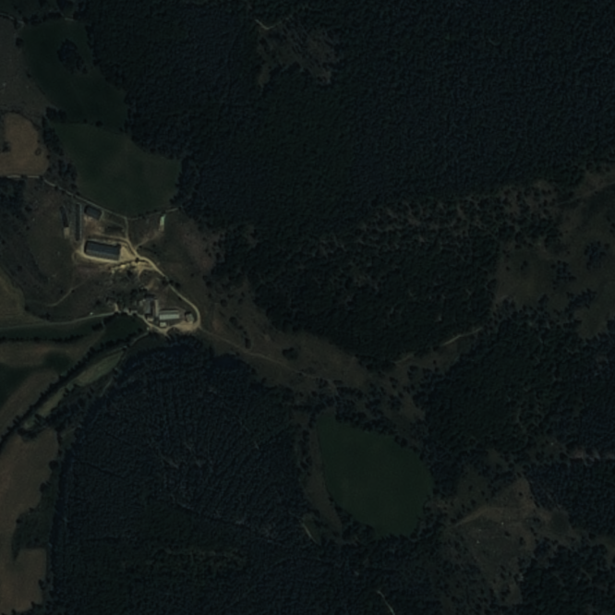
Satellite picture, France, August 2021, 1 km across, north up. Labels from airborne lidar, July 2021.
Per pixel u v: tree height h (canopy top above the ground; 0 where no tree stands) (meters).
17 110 0
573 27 17
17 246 0
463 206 8
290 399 9
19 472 0
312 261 11
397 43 11
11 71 0
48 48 0
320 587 10
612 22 13
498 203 11
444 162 16
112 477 18
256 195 13
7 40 0
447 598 7
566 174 12
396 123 11
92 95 0
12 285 0
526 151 12
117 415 17
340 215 15
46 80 0
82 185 0
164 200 0
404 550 16
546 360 15
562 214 0
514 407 14
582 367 13
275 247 12
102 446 18
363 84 14
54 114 17
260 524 18
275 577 20
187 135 14
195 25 15
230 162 15
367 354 9
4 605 0
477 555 0
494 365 14
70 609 23
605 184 0
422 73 13
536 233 11
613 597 10
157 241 0
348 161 13
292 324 10
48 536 0
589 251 9
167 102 17
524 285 0
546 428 7
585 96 14
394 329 10
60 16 11
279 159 12
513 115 10
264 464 18
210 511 17
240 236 13
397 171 18
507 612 11
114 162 0
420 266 10
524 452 10
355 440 0
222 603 16
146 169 0
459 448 12
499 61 17
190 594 19
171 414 16
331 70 12
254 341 0
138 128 12
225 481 19
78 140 0
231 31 15
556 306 0
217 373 31
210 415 17
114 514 15
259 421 26
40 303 0
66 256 0
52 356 0
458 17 13
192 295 0
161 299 0
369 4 16
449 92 13
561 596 11
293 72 15
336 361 0
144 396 13
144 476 16
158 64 14
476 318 14
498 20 16
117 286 0
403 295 14
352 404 8
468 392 15
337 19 11
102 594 13
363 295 13
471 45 8
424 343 11
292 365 0
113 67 8
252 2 11
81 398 0
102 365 0
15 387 0
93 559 17
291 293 6
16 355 0
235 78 14
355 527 13
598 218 0
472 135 12
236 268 14
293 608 19
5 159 0
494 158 15
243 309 0
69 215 0
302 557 12
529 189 9
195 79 16
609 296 0
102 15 19
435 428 11
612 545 0
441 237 12
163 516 11
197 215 13
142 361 18
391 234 10
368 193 13
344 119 13
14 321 0
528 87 18
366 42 11
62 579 18
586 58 9
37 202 0
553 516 0
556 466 12
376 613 7
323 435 0
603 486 15
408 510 0
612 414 14
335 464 0
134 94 10
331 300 9
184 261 0
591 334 0
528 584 9
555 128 14
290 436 16
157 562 15
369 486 0
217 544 12
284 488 18
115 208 0
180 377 21
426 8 11
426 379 11
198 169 11
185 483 15
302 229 15
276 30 0
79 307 0
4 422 0
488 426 16
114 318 8
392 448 0
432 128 15
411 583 8
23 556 0
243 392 34
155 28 16
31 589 0
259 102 18
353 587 16
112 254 0
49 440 0
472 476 0
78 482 20
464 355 8
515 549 0
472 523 0
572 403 12
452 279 11
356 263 10
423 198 13
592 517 18
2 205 15
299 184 13
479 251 8
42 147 0
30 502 0
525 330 18
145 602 19
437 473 15
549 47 13
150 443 15
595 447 16
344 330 14
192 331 0
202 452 18
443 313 12
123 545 15
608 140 7
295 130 16
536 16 18
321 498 0
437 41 15
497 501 0
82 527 22
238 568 19
